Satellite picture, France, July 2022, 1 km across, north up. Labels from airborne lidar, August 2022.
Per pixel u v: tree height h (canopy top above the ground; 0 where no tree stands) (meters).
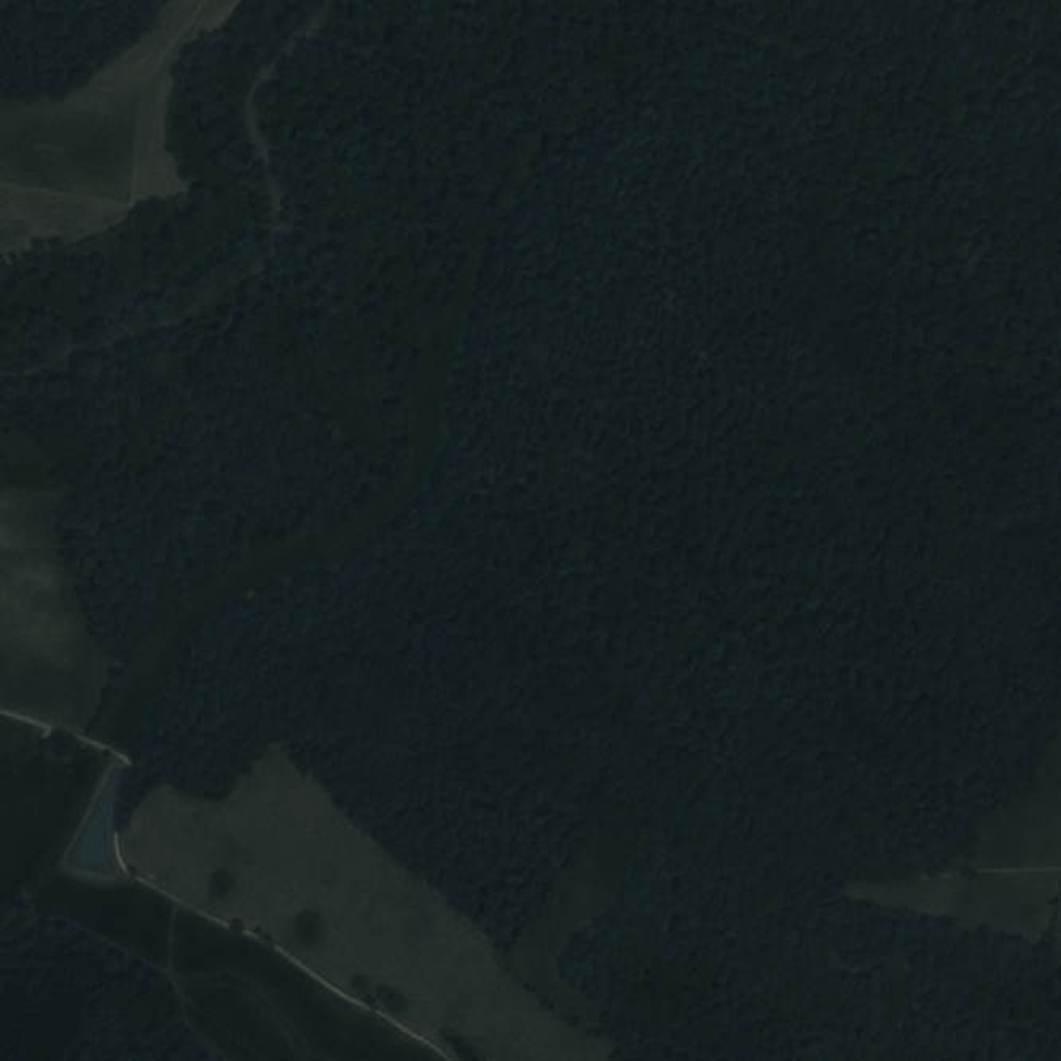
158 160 0
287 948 0
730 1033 9
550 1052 0
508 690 11
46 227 0
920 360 30
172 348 15
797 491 20
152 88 0
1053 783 0
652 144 21
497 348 29
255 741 24
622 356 28
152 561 28
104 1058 11
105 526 30
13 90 23
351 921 0
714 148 24
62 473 14
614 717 19
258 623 28
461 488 9
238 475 24
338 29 16
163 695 0
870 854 22
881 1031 29
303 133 12
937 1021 32
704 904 27
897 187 27
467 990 0
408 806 23
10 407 17
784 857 19
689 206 28
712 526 25
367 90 22
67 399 23
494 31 29
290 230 9
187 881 0
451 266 17
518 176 22
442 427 0
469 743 22
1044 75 8
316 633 26
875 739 25
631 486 23
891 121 9
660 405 25
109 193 0
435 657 28
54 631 0
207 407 7
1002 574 22
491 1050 0
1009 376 24
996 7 27
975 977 26
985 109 15
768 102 28
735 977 26
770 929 28
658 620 23
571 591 28
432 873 20
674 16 27
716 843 23
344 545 0
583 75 26
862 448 24
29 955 17
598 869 0
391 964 0
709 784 24
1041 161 26
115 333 16
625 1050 9
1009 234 30
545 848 21
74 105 0
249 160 24
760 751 26
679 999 10
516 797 23
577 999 0
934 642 25
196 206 14
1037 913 0
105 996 17
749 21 28
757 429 22
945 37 23
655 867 22
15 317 7
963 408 26
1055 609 17
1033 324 23
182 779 25
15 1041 16
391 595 29
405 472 19
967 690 32
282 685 25
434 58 28
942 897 0
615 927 23
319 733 20
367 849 0
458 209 33
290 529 18
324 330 20
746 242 28
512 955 0
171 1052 21
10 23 28
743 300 25
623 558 32
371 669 24
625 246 30
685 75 21
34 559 0
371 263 29
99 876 0
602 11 9
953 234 31
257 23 20
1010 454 24
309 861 0
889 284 26
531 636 29
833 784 20
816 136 22
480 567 24
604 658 27
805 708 27
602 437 27
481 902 6
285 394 20
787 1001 21
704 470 19
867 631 25
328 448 30
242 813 0
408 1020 0
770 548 27
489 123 27
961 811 22
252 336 20
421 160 30
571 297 28
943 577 24
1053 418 25
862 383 16
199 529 27
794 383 21
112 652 21
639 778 27
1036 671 23
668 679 28
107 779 0
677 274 28
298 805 0
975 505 17
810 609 8
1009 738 28
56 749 10
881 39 26
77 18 17
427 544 20
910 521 25
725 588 28
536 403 26
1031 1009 25
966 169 24
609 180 28
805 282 25
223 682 27
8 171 0
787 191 30
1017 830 0
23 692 0
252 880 0
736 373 23
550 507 20
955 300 24
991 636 23
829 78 13
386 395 24
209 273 23
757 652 20
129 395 20
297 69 27
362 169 25
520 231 33
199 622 0
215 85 24
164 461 20
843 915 17
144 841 0
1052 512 29
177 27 0
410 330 11
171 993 15
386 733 25
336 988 0
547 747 23
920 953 27
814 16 29
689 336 21
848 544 22
